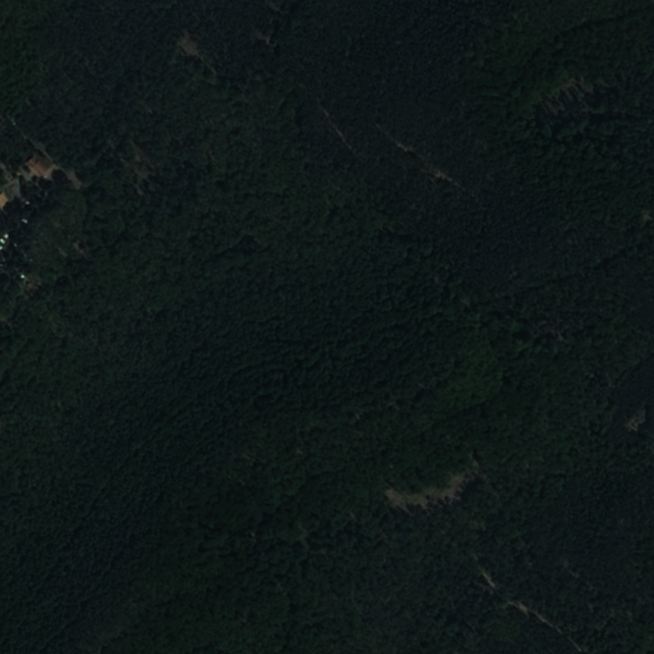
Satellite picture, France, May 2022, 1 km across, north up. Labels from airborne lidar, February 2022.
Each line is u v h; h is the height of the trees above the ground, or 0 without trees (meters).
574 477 22
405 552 32
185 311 32
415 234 27
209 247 25
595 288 30
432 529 37
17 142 26
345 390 27
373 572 32
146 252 27
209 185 28
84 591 26
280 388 30
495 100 28
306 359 32
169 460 26
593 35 30
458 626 34
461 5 24
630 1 18
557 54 33
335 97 26
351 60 24
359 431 26
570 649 17
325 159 24
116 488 24
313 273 31
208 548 38
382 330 29
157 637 32
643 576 22
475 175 22
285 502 33
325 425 23
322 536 33
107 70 27
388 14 26
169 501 22
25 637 26
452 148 20
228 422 27
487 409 33
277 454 26
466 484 0
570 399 31
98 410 27
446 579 35
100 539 28
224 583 24
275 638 32
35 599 22
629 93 32
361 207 29
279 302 31
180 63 30
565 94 0
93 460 27
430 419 22
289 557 32
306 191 25
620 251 14
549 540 22
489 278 18
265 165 25
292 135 26
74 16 31
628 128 32
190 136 30
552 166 29
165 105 26
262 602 31
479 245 21
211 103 23
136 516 20
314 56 24
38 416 25
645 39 29
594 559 18
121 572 24
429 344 30
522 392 26
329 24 24
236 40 19
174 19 26
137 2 28
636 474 22
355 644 27
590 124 30
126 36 24
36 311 28
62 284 14
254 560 34
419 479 30
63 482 26
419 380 23
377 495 29
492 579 30
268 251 35
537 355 32
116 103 28
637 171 31
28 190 22
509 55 29
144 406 33
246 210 12
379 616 27
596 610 27
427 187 27
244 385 33
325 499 33
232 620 22
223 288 29
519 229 22
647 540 22
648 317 18
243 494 34
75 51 28
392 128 20
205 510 33
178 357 28
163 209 33
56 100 28
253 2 21
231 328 30
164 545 28
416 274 33
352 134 23
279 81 26
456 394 25
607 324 27
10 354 22
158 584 22
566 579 26
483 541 30
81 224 32
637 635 24
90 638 15
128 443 29
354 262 31
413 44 21
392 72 21
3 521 28
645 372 16
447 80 19
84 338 26
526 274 24
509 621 11
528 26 24
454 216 24
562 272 26
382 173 23
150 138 28
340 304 32
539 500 25
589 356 34
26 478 30
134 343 23
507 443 28
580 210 20
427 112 18
